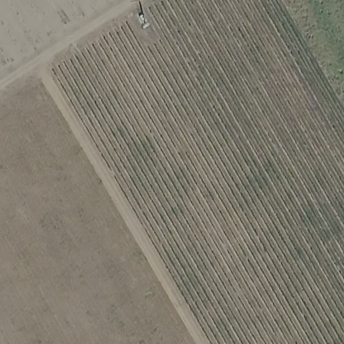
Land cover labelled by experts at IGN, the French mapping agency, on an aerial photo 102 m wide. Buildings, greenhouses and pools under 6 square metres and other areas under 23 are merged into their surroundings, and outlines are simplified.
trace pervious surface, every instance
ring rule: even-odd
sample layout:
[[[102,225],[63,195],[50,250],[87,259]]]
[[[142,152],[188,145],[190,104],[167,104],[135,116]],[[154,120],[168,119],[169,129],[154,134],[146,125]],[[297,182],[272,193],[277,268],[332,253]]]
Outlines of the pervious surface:
[[[62,89],[52,79],[51,60],[58,52],[66,50],[69,44],[77,46],[78,40],[83,36],[97,30],[106,21],[128,9],[124,3],[116,5],[81,30],[67,35],[62,42],[43,51],[20,69],[0,79],[0,91],[17,78],[26,75],[35,75],[42,79],[196,344],[204,344],[207,341],[206,336],[203,335],[191,310],[185,305],[184,298],[173,284],[164,263],[149,242],[132,208],[126,203],[114,180],[114,171],[110,171],[103,163],[81,121],[75,116],[73,107],[66,102]]]

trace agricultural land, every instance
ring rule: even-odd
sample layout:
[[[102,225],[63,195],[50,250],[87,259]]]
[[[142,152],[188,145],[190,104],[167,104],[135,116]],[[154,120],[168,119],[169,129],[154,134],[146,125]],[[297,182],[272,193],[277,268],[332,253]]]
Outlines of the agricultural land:
[[[0,344],[196,344],[42,79],[35,75],[26,75],[17,78],[0,91]]]
[[[308,46],[329,85],[333,90],[344,90],[344,0],[281,0],[301,35],[314,36],[309,40]]]
[[[81,30],[116,5],[124,3],[128,9],[138,8],[138,3],[142,0],[0,0],[0,79],[20,69],[43,51],[62,42],[67,35]]]

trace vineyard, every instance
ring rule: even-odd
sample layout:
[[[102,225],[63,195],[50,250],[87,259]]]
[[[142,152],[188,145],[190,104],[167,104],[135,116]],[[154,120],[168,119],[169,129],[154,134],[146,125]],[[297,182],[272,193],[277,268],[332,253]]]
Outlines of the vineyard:
[[[66,50],[58,52],[51,60],[52,79],[62,89],[66,102],[73,107],[75,116],[81,121],[103,163],[110,171],[114,171],[114,180],[126,203],[132,208],[149,242],[164,263],[173,284],[184,298],[185,305],[191,310],[203,335],[206,336],[207,341],[204,344],[344,344],[344,90],[333,90],[329,85],[308,46],[309,40],[314,36],[301,35],[281,0],[142,0],[138,3],[138,8],[128,9],[106,21],[97,30],[83,36],[78,40],[77,46],[69,44]]]

